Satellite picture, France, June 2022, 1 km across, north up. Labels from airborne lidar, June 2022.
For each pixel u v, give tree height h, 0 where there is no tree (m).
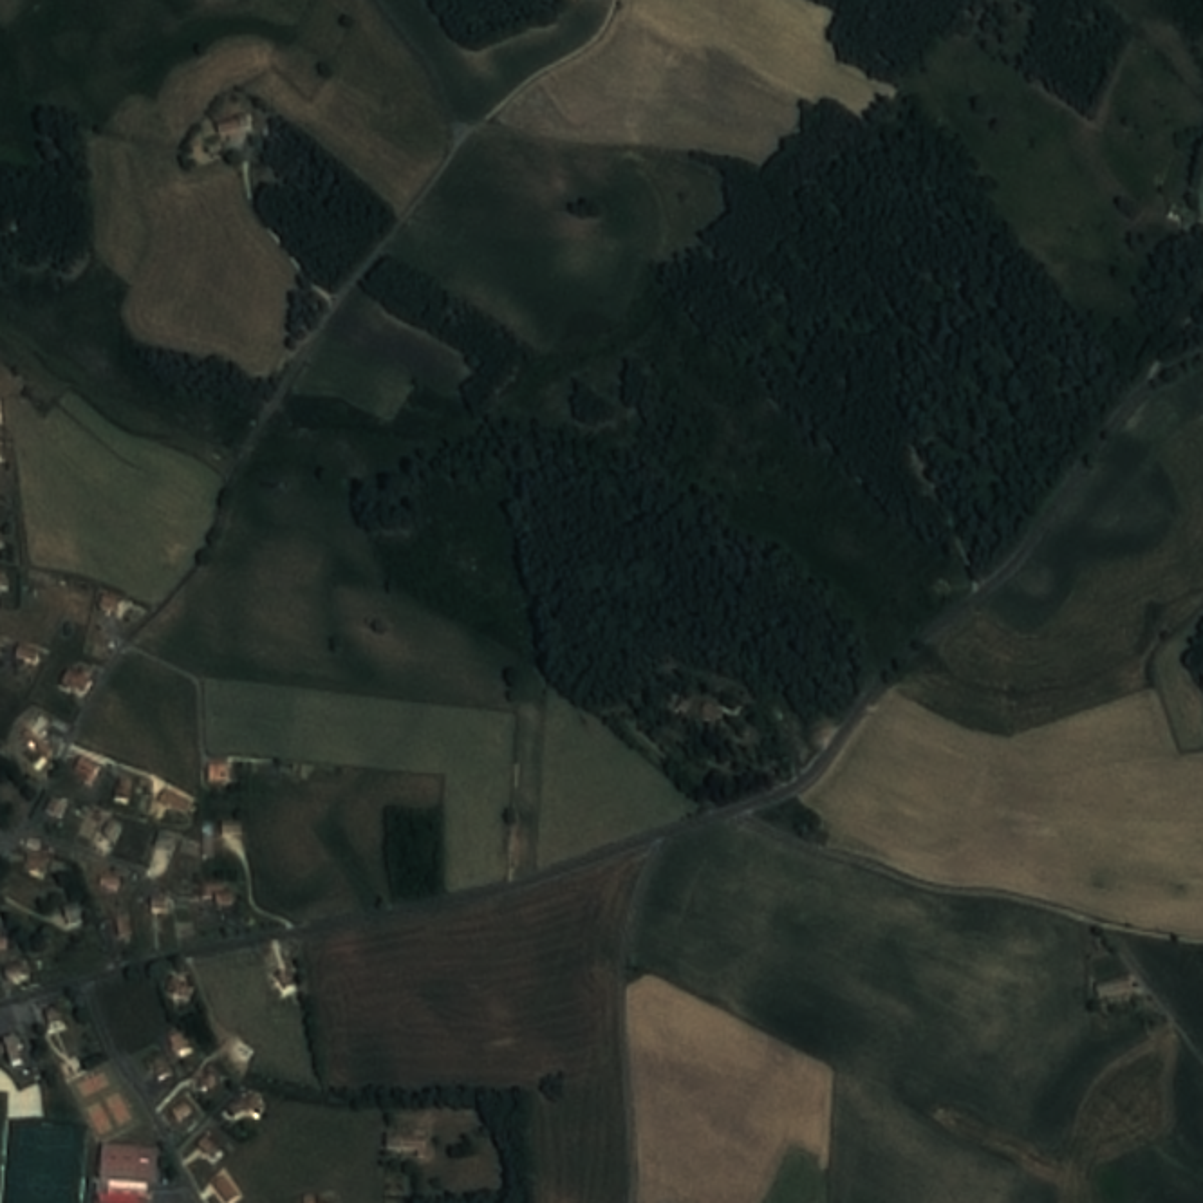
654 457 9
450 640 0
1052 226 0
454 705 0
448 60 0
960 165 10
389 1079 0
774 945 0
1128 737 0
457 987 0
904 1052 0
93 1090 0
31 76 0
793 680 24
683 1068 0
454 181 0
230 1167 0
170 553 0
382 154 0
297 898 0
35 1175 0
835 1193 0
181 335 0
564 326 0
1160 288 7
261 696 0
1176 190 0
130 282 0
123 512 0
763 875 0
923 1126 0
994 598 0
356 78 0
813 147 16
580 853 0
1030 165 0
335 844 0
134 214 0
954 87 0
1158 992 0
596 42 0
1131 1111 0
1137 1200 0
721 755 20
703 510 20
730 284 22
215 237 0
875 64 20
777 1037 0
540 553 30
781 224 20
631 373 16
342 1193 0
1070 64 16
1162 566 0
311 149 19
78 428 0
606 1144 0
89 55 0
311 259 18
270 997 0
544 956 0
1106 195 0
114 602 0
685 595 30
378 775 0
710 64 0
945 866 0
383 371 0
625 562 35
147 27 0
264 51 0
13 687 0
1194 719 0
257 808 0
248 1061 0
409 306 19
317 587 0
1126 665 0
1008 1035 0
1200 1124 0
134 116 0
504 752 0
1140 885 0
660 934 0
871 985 0
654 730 9
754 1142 0
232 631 0
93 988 0
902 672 16
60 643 0
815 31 0
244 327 0
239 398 20
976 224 10
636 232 0
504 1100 26
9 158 0
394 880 6
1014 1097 0
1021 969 0
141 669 0
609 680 27
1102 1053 0
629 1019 0
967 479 30
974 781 0
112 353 0
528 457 29
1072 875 0
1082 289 0
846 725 0
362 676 0
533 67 0
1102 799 0
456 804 0
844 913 0
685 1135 0
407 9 0
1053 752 0
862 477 16
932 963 0
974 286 30
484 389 19
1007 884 0
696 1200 0
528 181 0
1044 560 0
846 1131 0
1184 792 0
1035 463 17
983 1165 0
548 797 0
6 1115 0
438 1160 0
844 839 0
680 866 0
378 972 0
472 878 0
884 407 22
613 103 0
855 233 19
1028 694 0
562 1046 0
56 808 0
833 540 0
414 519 28
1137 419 0
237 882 11
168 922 0
